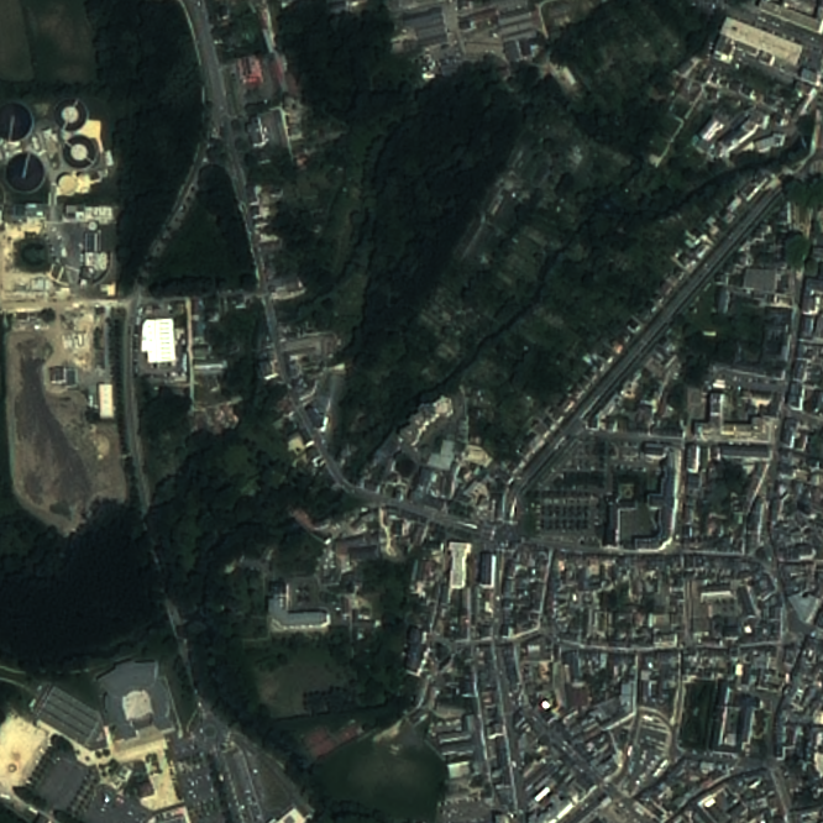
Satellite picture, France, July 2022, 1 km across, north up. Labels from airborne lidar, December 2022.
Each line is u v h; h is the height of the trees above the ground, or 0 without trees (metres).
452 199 12
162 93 21
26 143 0
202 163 0
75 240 0
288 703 0
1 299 0
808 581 0
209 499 28
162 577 12
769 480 0
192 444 15
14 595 36
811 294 0
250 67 0
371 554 0
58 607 39
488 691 0
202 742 0
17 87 10
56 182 0
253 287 17
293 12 14
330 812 12
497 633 0
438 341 5
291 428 11
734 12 0
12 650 19
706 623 0
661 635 0
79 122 0
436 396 10
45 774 9
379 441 6
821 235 13
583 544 8
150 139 17
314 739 0
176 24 16
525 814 0
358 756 0
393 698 12
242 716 21
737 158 15
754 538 0
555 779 11
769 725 0
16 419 0
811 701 0
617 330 13
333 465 0
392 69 0
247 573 10
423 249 20
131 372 0
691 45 15
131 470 15
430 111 23
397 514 0
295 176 14
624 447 0
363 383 11
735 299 12
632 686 0
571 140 0
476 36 0
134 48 18
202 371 0
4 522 9
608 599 16
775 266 0
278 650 0
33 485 0
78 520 0
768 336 0
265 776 0
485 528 0
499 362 6
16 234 0
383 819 10
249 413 13
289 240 7
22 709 0
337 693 19
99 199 0
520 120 19
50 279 0
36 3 0
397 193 23
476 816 0
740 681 0
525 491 6
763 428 0
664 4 23
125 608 38
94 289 0
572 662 0
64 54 0
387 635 12
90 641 39
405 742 0
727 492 20
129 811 0
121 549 38
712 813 6
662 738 0
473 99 25
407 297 33
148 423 18
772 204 6
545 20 0
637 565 0
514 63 13
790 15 0
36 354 0
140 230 23
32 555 11
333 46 11
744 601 0
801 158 13
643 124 6
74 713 0
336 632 10
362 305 0
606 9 13
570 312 8
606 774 0
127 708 0
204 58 0
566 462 0
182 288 27
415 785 0
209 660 16
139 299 0
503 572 0
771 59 0
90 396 0
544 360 13
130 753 0
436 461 0
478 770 0
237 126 9
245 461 0
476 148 29
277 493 19
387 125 9
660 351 0
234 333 6
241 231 25
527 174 0
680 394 10
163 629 7
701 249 0
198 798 0
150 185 13
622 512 0
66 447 0
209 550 26
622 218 10
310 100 17
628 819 0
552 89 22
